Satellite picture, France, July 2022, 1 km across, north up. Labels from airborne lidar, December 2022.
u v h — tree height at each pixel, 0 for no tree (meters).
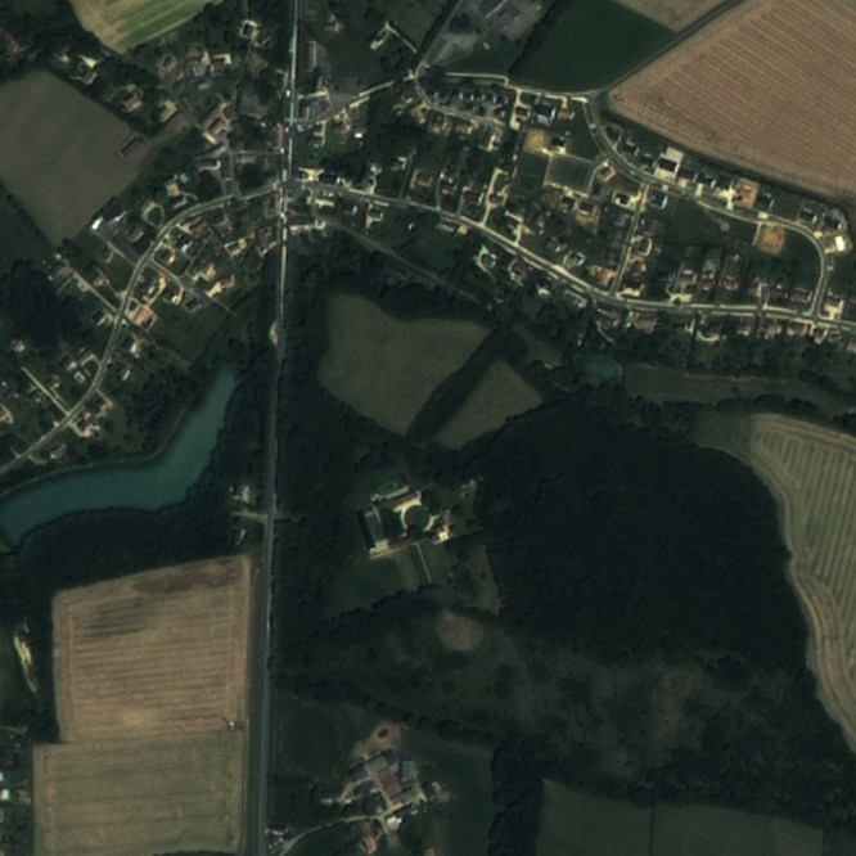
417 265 12
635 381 0
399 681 8
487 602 0
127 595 0
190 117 0
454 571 9
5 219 0
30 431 11
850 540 0
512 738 8
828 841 8
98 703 0
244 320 0
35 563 23
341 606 0
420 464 12
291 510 19
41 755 0
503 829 20
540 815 17
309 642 15
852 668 0
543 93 0
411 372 0
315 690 17
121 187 0
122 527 22
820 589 0
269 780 7
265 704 0
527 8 0
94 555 18
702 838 0
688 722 0
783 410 10
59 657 0
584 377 12
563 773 12
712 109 0
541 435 21
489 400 0
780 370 11
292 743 0
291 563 20
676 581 26
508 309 16
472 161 13
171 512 18
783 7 0
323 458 23
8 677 0
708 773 12
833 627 0
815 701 8
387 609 22
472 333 0
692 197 0
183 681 0
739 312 0
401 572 0
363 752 0
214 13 15
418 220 6
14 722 6
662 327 9
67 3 13
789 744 8
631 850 0
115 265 0
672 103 0
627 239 0
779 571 18
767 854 0
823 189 0
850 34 0
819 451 0
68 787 0
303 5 0
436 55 0
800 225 0
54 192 0
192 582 0
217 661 0
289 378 15
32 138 0
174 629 0
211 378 8
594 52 0
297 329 15
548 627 20
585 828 0
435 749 0
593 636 8
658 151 0
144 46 11
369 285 15
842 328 0
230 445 21
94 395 0
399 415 0
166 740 0
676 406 13
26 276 21
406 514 0
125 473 0
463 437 0
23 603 12
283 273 0
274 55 11
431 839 0
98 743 0
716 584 21
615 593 19
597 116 0
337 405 19
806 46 0
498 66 0
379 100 11
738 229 0
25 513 0
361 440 20
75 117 0
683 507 19
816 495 0
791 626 22
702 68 0
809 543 0
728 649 9
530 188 0
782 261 8
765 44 0
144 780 0
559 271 0
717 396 0
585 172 0
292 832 8
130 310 0
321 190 0
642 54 0
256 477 18
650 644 9
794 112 0
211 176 11
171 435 0
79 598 0
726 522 26
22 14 0
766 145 0
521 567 24
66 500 0
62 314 24
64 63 0
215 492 22
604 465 28
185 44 0
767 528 21
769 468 0
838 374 0
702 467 21
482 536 14
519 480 22
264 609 0
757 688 7
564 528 29
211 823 0
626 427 16
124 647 0
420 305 24
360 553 0
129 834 0
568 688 9
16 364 11
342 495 18
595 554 26
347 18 18
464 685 0
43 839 0
